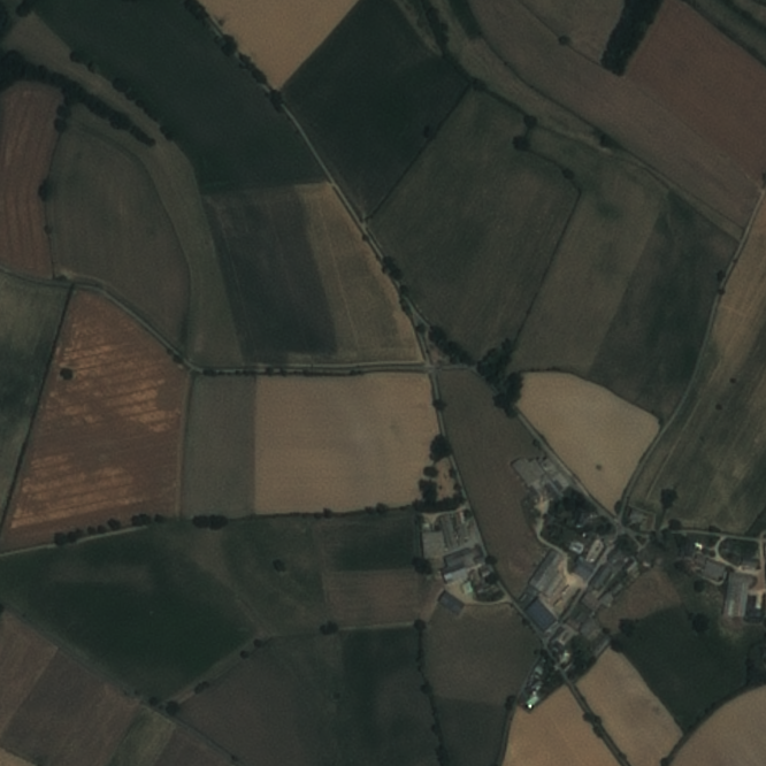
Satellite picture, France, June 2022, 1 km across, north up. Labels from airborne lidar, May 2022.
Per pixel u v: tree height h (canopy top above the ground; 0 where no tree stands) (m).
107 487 0
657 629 0
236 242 0
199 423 0
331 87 0
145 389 0
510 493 0
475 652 0
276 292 0
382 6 0
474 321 0
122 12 0
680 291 0
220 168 0
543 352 0
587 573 0
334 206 0
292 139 0
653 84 0
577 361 0
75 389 0
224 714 0
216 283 0
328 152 0
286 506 0
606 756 0
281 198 0
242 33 0
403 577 0
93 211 0
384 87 0
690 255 0
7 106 0
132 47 0
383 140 0
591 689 0
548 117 0
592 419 0
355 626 0
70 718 0
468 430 0
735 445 0
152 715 0
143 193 0
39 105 0
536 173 0
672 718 0
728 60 0
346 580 0
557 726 0
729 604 0
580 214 0
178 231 0
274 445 0
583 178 0
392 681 0
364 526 0
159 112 0
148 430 0
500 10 0
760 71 0
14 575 0
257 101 0
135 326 0
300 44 0
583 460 0
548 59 0
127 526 0
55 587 0
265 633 0
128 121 20
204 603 0
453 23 0
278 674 0
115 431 0
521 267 0
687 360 0
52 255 0
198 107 0
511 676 0
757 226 0
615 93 0
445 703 0
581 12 0
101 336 0
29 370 0
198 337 0
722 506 0
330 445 0
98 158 0
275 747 0
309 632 0
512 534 0
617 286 0
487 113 0
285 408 0
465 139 0
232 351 0
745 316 0
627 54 15
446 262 0
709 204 0
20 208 0
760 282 0
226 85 0
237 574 0
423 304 0
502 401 20
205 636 0
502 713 0
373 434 0
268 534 0
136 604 0
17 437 0
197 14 13
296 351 0
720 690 0
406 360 0
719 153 0
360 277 0
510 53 0
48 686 0
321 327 0
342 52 0
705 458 0
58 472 0
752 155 0
